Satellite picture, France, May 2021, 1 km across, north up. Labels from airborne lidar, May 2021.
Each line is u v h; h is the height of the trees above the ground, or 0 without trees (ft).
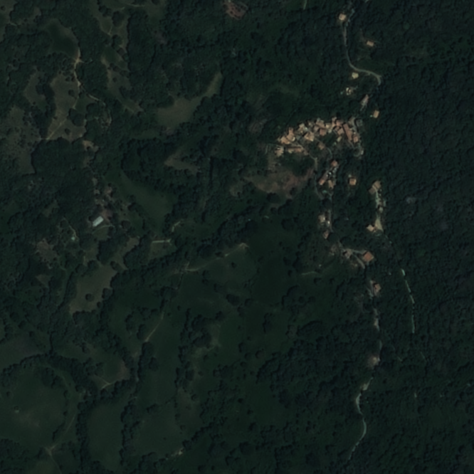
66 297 30
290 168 0
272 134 18
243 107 20
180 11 52
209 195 23
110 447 0
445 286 26
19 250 50
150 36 37
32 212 40
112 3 0
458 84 36
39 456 41
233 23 53
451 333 52
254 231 56
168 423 0
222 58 43
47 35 47
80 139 30
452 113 30
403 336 37
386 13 26
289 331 33
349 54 39
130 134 66
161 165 46
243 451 52
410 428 20
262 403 0
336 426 40
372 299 20
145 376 34
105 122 27
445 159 28
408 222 55
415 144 48
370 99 33
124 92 55
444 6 33
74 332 56
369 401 28
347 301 47
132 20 54
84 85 33
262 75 54
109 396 63
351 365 67
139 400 0
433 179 27
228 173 23
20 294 36
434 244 32
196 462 0
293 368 50
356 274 18
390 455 31
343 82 28
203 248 53
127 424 51
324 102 50
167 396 0
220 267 0
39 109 34
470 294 25
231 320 0
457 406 48
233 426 28
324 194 17
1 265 39
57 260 34
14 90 27
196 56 50
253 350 0
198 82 45
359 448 24
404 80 46
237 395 29
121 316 0
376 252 20
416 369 59
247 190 31
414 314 27
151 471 78
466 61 63
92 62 28
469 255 33
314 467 50
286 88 0
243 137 43
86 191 50
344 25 20
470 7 28
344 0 22
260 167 21
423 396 24
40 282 32
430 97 52
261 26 60
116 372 0
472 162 33
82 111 0
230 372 56
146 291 0
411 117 43
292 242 0
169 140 34
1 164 27
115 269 55
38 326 31
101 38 40
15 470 38
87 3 43
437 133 26
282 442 33
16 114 0
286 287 0
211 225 37
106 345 60
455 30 25
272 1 29
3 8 33
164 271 58
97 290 0
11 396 31
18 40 36
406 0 37
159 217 0
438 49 50
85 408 70
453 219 25
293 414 0
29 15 40
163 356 0
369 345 32
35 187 23
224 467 0
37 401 0
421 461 51
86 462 74
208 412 39
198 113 53
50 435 0
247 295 0
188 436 0
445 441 27
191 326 33
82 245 54
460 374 78
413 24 23
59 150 28
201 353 0
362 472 28
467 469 25
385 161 55
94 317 75
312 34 44
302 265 52
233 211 31
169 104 54
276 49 36
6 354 0
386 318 39
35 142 21
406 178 28
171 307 29
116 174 0
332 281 45
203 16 34
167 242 23
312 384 26
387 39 53
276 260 0
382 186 25
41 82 29
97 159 56
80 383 72
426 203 52
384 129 44
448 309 32
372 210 21
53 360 69
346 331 52
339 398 44
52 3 50
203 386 0
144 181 41
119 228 57
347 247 50
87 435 52
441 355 28
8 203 35
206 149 73
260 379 58
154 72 31
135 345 0
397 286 29
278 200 39
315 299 43
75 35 32
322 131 0
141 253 77
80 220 48
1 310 41
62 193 46
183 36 26
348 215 22
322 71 29
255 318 0
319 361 77
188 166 0
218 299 0
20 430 0
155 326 0
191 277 0
